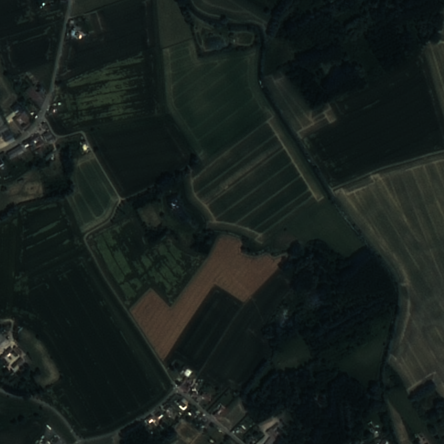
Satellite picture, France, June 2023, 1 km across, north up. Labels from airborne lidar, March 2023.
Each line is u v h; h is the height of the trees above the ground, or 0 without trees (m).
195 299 0
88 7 0
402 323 0
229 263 0
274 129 0
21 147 0
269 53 0
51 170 0
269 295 0
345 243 0
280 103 0
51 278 0
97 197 0
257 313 0
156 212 0
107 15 0
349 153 0
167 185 27
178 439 0
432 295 0
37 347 0
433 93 0
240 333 0
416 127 0
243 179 0
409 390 0
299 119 0
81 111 0
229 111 0
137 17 0
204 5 0
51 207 0
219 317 0
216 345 0
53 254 0
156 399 0
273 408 24
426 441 0
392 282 6
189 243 0
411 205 0
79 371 0
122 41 0
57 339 0
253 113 0
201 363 0
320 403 10
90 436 0
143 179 0
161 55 0
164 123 0
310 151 0
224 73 0
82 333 0
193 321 0
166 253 0
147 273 0
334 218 0
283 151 0
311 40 25
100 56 0
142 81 0
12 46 0
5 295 0
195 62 0
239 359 0
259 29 0
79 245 0
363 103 0
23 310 0
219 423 0
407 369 0
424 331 0
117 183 0
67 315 0
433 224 0
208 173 0
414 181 0
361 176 0
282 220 0
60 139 0
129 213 0
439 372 0
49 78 0
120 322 0
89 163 0
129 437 11
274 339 28
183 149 0
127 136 0
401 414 0
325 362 12
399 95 0
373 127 0
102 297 0
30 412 0
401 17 34
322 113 0
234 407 0
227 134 0
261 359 0
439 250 0
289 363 0
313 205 0
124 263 0
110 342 0
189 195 0
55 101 0
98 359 0
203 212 0
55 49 0
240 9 0
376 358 0
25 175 0
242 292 0
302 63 26
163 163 0
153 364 0
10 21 0
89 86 0
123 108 0
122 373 0
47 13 0
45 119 0
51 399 0
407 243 0
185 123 0
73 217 0
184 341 0
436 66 0
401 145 0
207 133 0
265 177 0
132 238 0
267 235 0
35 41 0
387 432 10
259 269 0
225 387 0
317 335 18
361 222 0
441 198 0
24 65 0
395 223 0
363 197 0
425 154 0
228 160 0
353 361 0
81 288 0
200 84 0
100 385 0
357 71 22
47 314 0
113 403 0
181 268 0
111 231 0
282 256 0
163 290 0
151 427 0
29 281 0
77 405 0
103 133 0
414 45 32
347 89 15
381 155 0
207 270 0
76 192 0
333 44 31
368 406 26
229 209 0
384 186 0
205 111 0
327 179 0
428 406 0
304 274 23
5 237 0
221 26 0
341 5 20
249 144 0
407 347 0
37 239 0
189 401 0
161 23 0
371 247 0
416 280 0
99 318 0
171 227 0
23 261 0
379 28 22
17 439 0
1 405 0
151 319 0
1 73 0
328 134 0
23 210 0
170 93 0
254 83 0
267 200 0
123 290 0
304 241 0
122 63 0
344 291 33
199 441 0
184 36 0
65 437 0
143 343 0
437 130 0
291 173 0
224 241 0
